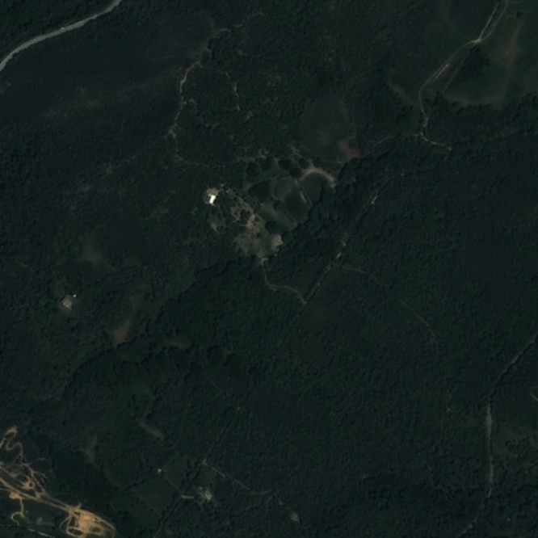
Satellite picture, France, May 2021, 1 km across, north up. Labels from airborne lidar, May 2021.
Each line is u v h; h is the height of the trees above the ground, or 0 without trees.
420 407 11
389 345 8
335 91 8
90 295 12
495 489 12
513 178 8
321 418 9
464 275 6
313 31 8
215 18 7
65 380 13
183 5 9
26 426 10
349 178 22
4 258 11
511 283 6
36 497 0
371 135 6
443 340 10
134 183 10
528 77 0
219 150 7
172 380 10
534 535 9
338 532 18
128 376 11
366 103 6
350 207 19
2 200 18
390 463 10
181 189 7
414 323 8
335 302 8
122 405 11
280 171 0
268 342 9
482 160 8
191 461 7
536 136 6
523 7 0
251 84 9
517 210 6
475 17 0
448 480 17
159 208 6
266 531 8
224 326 11
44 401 13
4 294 11
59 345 12
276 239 0
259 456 7
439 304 7
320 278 9
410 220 15
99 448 16
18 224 12
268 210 0
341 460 11
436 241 12
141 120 6
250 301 9
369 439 9
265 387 8
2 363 13
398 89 0
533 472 14
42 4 22
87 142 6
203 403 7
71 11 8
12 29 9
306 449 11
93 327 13
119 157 6
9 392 12
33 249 12
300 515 13
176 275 10
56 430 8
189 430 8
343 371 10
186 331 20
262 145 6
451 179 8
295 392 11
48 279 8
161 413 12
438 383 10
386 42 9
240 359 19
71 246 13
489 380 8
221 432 10
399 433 10
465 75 7
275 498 10
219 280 20
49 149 11
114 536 0
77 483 21
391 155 22
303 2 10
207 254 9
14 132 9
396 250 13
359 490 18
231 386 6
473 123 6
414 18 5
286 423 6
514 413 8
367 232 12
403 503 16
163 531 6
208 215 11
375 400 13
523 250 7
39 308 10
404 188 11
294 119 10
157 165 13
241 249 7
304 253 18
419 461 10
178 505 11
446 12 0
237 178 11
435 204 10
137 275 11
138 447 8
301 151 7
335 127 0
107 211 7
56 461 19
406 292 10
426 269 11
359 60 9
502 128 11
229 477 8
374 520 16
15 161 12
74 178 7
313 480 9
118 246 6
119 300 10
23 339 8
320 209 19
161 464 9
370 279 9
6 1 14
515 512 19
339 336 8
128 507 0
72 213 7
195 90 9
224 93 10
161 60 0
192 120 10
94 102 0
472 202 6
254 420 8
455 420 6
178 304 24
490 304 10
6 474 0
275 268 18
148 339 20
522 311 7
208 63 10
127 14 7
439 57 0
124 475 5
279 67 6
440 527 21
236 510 6
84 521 0
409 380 9
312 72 12
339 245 9
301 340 8
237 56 18
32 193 8
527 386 8
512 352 8
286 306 7
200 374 18
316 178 0
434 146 10
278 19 8
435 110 10
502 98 0
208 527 13
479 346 9
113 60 5
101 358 20
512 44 0
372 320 11
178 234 8
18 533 7
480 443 6
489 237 5
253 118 10
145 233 8
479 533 14
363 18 7
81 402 6
